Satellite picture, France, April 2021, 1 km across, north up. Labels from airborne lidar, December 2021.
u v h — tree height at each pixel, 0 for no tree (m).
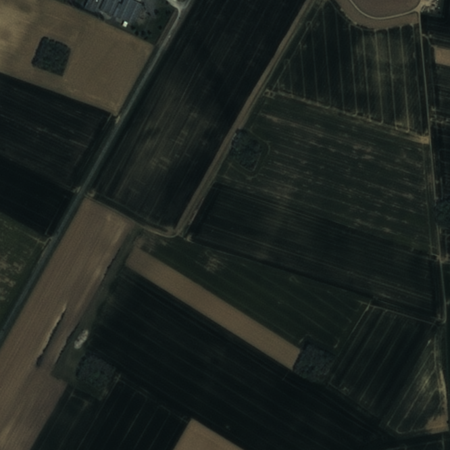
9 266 0
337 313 0
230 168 0
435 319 0
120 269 0
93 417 0
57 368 0
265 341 0
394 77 0
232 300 0
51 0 0
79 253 0
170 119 0
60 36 0
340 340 0
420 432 0
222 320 0
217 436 0
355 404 0
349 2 0
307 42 0
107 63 0
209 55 0
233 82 0
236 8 0
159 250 0
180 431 0
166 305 0
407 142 0
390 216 0
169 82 0
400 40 0
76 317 0
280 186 0
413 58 0
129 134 0
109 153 0
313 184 0
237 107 0
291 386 0
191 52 0
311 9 0
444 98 0
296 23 0
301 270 0
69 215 0
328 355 7
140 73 0
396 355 0
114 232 0
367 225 0
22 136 0
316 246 0
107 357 0
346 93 0
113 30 0
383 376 0
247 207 0
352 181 0
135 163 0
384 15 0
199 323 0
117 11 0
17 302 0
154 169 0
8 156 0
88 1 0
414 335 0
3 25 0
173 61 0
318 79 0
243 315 0
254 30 0
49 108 0
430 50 0
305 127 0
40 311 0
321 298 0
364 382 0
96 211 0
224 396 0
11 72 0
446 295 0
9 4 0
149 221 0
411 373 0
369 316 0
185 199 0
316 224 0
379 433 0
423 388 0
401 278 0
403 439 0
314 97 0
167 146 0
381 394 0
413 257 0
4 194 0
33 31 0
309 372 13
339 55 0
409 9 0
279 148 0
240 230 0
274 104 0
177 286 0
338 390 0
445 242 0
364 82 0
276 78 0
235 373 0
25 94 0
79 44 0
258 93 0
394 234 0
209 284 0
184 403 0
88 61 0
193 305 0
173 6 0
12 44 0
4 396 0
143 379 0
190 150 0
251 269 0
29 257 0
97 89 0
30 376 0
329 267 0
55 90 0
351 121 0
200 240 0
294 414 0
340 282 0
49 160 0
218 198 0
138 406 0
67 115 0
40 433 0
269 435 0
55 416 0
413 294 0
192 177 0
